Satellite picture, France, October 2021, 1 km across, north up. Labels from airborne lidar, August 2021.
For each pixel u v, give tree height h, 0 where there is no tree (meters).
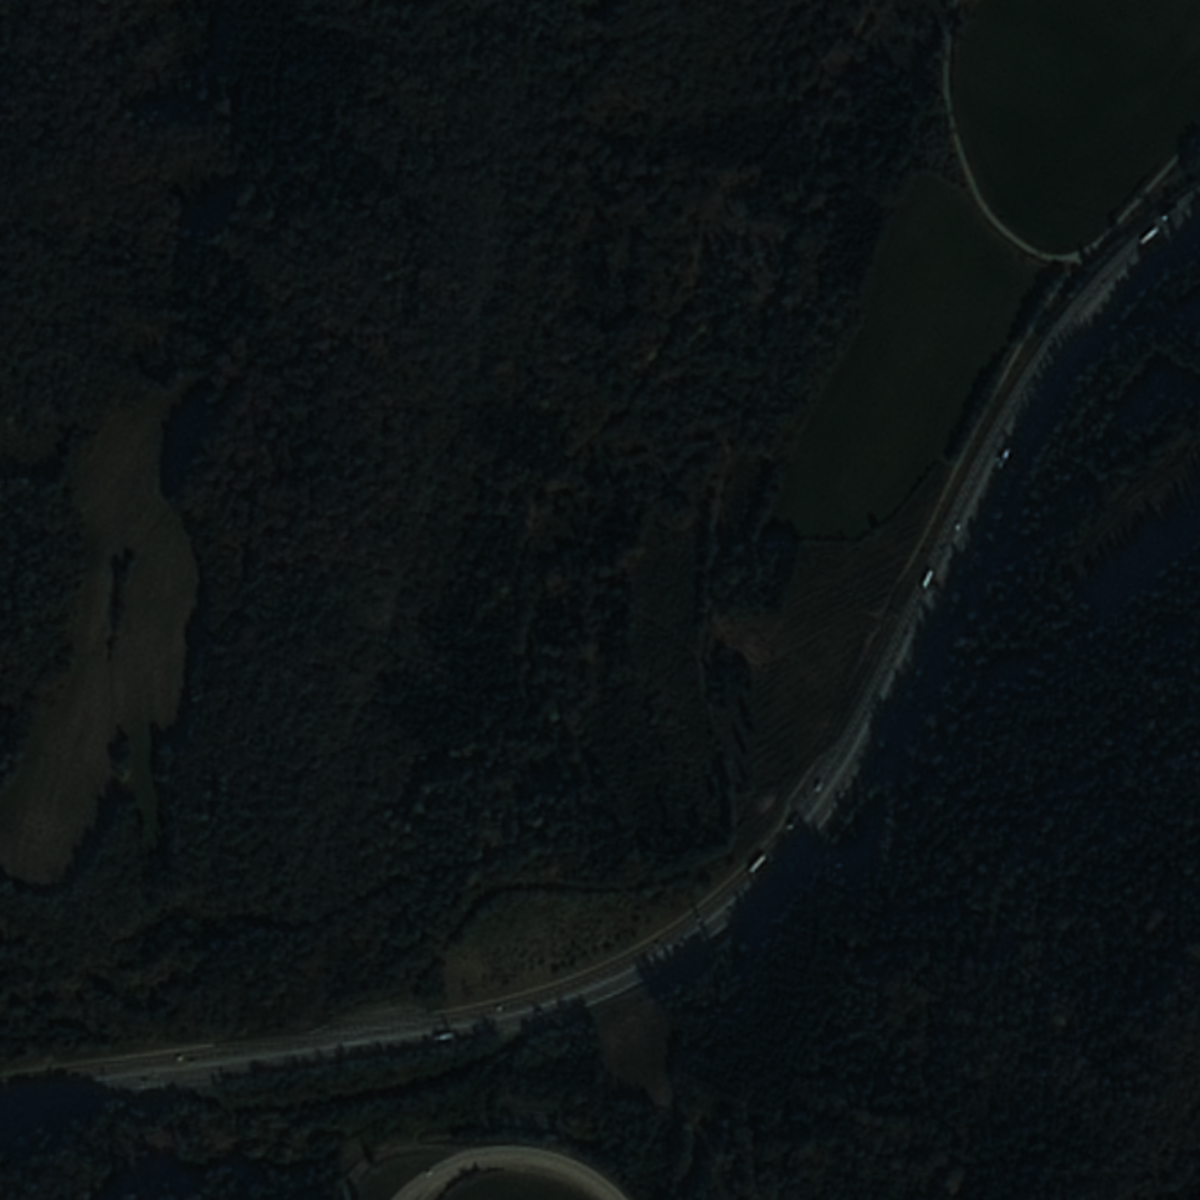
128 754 12
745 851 0
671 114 17
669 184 14
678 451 20
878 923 34
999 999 20
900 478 0
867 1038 25
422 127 12
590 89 20
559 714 23
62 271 16
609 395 16
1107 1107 19
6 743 15
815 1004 31
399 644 21
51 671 23
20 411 7
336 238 23
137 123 28
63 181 33
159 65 7
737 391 18
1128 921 24
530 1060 17
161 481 0
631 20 16
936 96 27
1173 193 6
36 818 0
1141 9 0
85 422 17
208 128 28
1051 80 0
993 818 18
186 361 22
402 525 14
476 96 13
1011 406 0
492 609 17
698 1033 23
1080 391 11
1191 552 26
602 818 20
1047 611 25
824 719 0
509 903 9
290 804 14
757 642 0
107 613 0
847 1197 18
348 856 15
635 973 0
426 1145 0
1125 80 0
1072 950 25
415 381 16
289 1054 0
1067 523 25
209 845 14
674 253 21
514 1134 16
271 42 26
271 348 26
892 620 0
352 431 19
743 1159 18
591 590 23
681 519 26
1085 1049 25
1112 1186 20
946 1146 23
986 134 0
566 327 21
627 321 13
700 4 26
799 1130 17
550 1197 0
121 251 22
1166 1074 19
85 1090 0
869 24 13
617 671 26
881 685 0
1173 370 0
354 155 21
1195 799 28
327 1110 9
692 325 18
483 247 7
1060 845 30
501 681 23
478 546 15
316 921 17
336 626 13
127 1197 37
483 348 11
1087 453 24
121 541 0
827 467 0
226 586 15
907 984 29
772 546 20
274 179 28
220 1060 0
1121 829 31
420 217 13
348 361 20
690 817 7
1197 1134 15
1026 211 0
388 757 17
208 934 7
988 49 0
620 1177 10
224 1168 29
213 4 6
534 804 15
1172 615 18
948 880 12
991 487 0
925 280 0
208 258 30
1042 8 0
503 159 14
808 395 13
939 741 18
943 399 0
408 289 8
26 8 24
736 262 18
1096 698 27
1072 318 0
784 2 16
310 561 15
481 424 15
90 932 13
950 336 0
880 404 0
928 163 7
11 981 10
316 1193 20
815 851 0
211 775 12
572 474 18
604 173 29
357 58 14
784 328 25
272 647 13
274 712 11
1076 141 0
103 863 15
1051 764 23
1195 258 19
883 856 28
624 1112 17
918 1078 20
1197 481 0
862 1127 18
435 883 20
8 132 23
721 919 0
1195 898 23
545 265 15
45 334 12
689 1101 20
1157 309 20
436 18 13
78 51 27
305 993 16
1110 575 0
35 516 19
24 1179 18
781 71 17
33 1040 6
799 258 18
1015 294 0
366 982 16
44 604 19
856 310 17
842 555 0
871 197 14
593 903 6
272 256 27
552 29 17
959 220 0
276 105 24
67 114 25
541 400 21
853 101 26
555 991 0
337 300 16
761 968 23
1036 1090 22
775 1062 30
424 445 16
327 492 23
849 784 0
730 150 18
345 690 6
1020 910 23
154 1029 10
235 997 21
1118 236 12
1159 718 25
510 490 10
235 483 30
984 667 9
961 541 0
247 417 26
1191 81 0
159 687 0
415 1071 15
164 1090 0
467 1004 0
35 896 10
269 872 11
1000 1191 23
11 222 17
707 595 14
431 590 17
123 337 21
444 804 21
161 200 30
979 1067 21
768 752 0
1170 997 22
